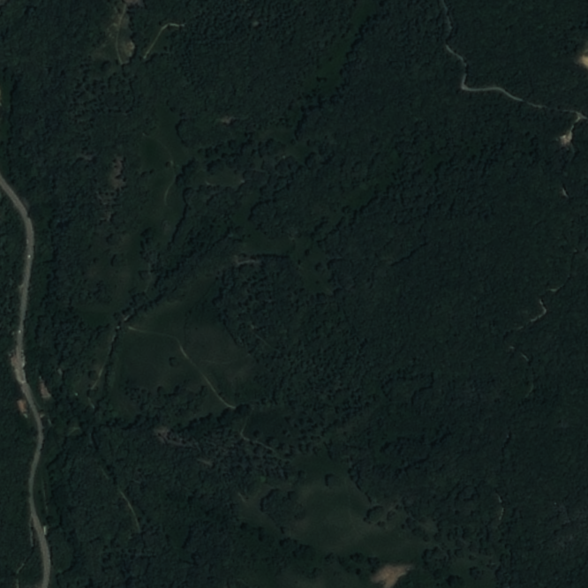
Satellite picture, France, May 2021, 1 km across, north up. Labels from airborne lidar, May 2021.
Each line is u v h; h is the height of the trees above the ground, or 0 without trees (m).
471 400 10
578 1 12
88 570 23
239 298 16
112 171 13
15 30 21
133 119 16
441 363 16
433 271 14
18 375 0
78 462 16
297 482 10
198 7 16
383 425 14
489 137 11
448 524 13
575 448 14
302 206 11
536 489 14
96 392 11
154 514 15
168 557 19
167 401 15
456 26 7
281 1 12
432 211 14
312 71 10
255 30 11
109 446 14
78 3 18
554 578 8
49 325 17
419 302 11
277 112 11
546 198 14
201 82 8
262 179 10
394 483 9
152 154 0
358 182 9
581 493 13
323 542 0
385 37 17
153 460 12
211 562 16
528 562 8
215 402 0
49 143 13
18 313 13
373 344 13
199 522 11
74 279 12
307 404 8
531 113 11
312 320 12
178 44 7
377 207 14
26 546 11
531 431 13
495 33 16
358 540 0
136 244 0
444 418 12
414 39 15
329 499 0
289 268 16
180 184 16
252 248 0
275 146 15
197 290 0
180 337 0
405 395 14
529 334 10
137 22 12
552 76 7
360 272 12
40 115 17
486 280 12
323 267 13
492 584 0
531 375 11
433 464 13
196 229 15
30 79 20
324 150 12
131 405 0
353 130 14
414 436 7
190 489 15
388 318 10
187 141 20
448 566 9
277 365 8
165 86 16
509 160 20
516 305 11
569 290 10
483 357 11
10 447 12
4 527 17
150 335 0
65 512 22
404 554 0
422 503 14
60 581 15
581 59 0
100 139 17
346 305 13
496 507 16
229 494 13
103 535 18
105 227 13
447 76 18
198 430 26
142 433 21
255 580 0
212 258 16
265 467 17
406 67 10
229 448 17
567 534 12
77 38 13
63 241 18
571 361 8
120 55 0
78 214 12
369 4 0
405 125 11
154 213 0
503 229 13
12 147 20
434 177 10
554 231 11
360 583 0
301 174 14
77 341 10
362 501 0
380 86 18
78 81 11
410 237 6
